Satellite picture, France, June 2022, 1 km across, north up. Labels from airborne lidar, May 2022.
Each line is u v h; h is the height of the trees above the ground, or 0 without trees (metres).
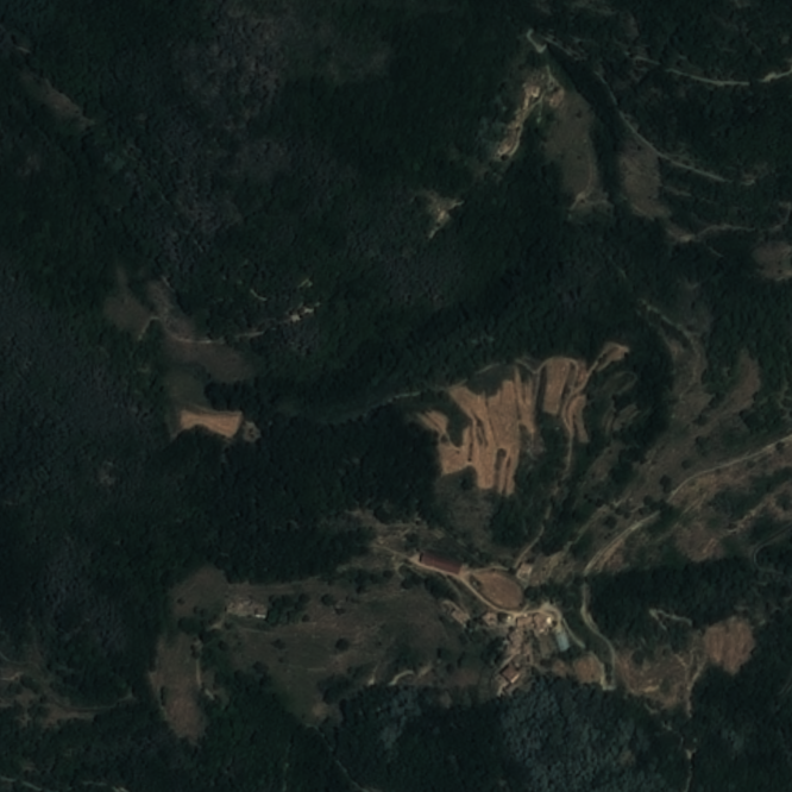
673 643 12
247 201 7
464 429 0
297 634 0
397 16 9
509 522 11
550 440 8
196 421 0
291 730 13
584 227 10
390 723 12
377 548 0
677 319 0
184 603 7
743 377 0
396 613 0
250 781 13
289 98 17
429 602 0
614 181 18
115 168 24
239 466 21
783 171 15
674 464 0
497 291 15
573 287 9
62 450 13
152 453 17
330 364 13
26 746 13
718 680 16
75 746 15
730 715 17
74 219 11
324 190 18
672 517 10
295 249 22
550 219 28
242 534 13
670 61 17
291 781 16
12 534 22
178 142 19
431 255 15
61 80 16
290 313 19
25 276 10
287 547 19
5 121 20
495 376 0
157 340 8
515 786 12
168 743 14
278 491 22
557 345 11
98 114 16
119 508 14
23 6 38
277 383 18
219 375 0
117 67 23
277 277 22
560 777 20
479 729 16
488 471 0
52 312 20
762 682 13
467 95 18
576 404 0
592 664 0
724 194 12
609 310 11
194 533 12
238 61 12
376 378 9
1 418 7
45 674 0
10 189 17
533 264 19
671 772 13
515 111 17
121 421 20
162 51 15
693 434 0
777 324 7
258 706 16
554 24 7
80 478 18
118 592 20
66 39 20
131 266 8
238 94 7
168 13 12
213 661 7
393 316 14
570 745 22
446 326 19
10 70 16
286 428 21
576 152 0
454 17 17
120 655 13
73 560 21
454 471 0
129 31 20
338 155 18
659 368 13
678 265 19
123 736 18
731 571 18
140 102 18
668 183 11
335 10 9
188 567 16
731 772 7
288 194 16
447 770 18
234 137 8
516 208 19
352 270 9
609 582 12
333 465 18
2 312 14
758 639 6
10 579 19
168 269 8
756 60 7
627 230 18
